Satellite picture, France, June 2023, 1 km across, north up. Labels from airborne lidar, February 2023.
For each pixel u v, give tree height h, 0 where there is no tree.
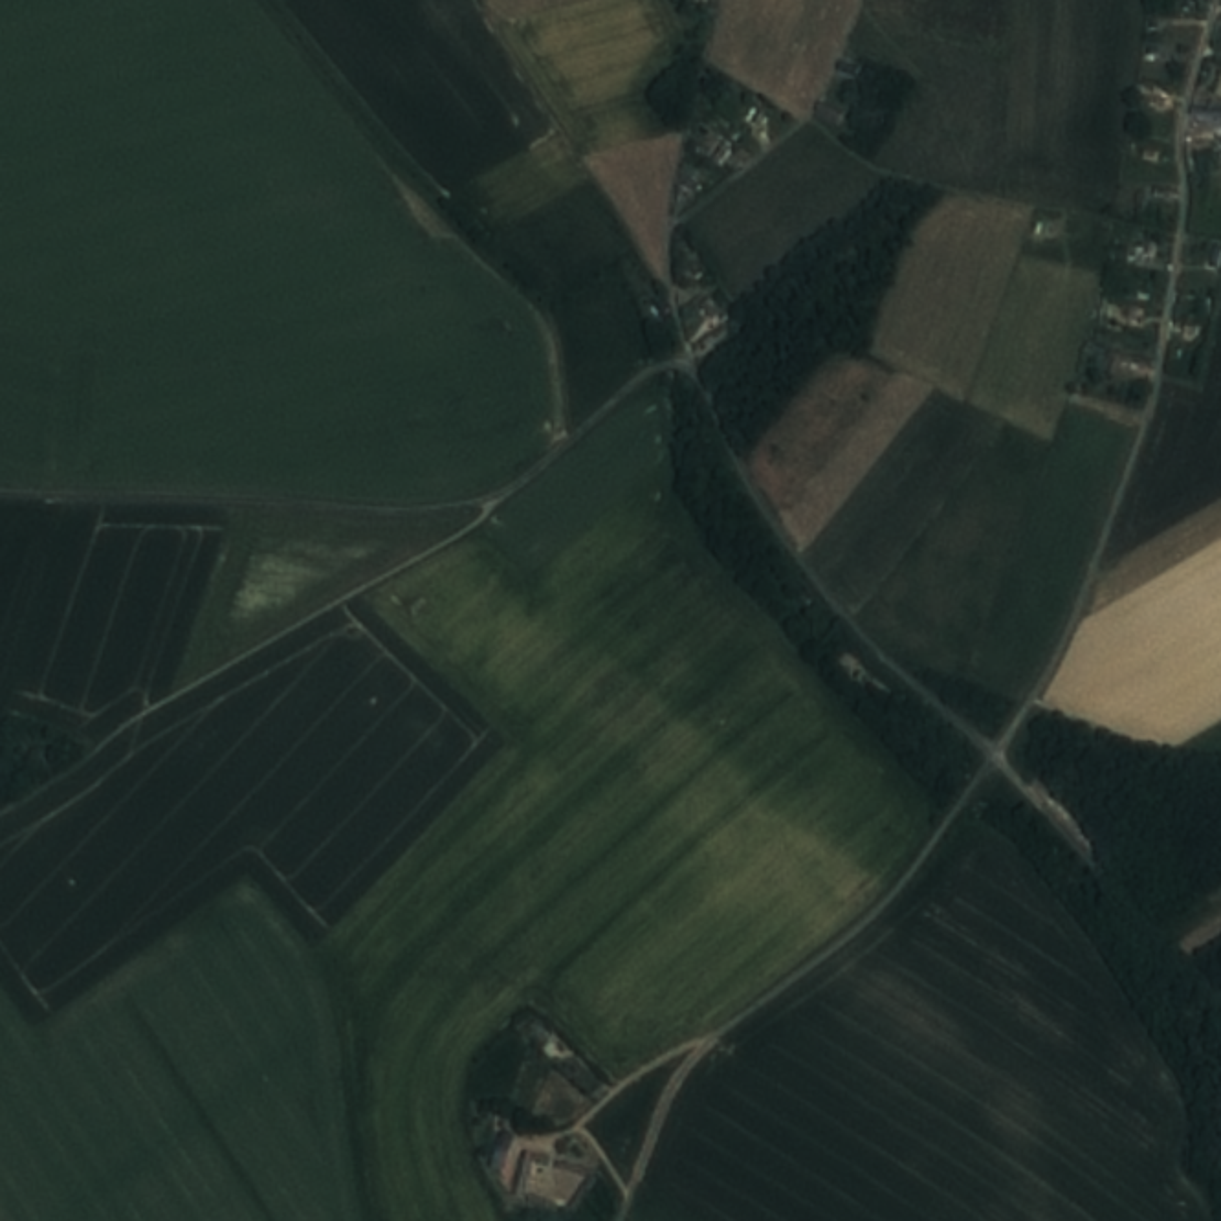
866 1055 0
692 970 0
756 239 0
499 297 0
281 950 0
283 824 0
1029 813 19
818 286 19
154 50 0
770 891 0
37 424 0
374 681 0
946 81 0
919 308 0
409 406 0
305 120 0
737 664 0
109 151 0
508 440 0
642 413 0
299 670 0
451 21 0
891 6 0
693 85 16
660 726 0
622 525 0
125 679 0
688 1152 0
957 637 0
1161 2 8
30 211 0
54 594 0
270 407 0
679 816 0
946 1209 0
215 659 0
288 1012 0
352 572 0
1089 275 0
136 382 0
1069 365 0
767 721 0
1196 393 0
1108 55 0
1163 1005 20
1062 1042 0
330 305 0
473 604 0
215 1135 0
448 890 0
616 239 0
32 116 0
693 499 12
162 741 0
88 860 0
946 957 0
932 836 0
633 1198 0
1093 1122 0
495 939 0
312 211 0
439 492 0
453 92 0
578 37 0
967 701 11
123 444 0
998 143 0
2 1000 0
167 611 0
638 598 0
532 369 0
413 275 0
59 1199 0
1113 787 15
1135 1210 0
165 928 0
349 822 0
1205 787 17
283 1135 0
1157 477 0
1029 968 0
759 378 21
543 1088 0
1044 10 0
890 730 6
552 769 0
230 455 0
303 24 0
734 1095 0
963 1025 0
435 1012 0
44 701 0
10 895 0
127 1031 0
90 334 0
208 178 0
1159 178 0
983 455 0
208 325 0
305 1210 0
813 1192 0
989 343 0
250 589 0
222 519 0
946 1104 0
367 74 0
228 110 0
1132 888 18
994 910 0
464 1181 0
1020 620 0
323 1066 0
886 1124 0
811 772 0
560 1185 0
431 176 0
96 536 0
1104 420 0
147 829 0
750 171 0
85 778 0
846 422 0
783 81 0
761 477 0
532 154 0
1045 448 0
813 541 0
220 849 0
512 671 0
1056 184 0
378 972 0
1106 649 0
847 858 0
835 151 0
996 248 0
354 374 0
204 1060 0
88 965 0
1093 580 0
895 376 0
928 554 0
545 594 0
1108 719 0
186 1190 0
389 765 0
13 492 0
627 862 0
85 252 0
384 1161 0
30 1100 0
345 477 0
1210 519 0
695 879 0
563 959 0
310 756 0
